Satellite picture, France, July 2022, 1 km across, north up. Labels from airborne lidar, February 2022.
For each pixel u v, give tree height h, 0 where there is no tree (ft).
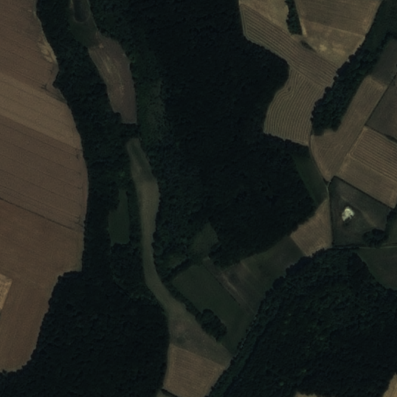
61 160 0
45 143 0
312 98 0
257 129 83
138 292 60
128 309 81
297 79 0
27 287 0
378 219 0
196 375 0
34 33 0
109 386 78
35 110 0
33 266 0
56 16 57
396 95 0
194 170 50
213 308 0
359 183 0
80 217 0
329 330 70
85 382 78
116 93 0
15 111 0
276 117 0
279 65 75
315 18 0
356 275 68
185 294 0
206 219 58
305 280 67
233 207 87
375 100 0
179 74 71
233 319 0
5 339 0
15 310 0
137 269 82
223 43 86
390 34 45
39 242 0
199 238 0
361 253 0
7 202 0
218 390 32
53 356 82
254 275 0
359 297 61
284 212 69
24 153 0
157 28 54
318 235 0
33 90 0
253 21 0
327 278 60
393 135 0
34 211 0
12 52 0
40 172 0
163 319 63
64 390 77
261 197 94
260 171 90
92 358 75
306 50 0
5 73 0
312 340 66
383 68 0
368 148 0
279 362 82
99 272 85
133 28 38
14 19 0
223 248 51
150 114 0
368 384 85
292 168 71
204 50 82
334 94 50
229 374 21
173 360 0
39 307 0
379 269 0
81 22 0
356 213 0
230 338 0
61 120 0
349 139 0
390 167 0
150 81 26
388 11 0
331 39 0
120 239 0
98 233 83
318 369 42
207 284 0
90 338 65
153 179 0
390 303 75
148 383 77
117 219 0
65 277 24
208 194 24
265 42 0
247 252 55
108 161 60
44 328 63
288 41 0
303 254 0
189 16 82
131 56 55
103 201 65
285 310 70
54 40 61
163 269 38
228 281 0
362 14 0
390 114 0
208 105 85
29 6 0
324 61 0
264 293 0
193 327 0
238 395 71
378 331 74
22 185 0
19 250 0
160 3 77
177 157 52
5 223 0
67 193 0
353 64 68
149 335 85
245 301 0
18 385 71
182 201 27
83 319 74
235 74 77
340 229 0
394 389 0
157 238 67
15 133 0
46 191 0
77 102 78
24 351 0
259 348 74
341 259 26
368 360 58
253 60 83
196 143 70
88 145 30
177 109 67
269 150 65
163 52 72
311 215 43
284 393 53
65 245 0
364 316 56
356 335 76
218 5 73
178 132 60
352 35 0
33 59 0
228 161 79
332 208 0
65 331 63
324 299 67
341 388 78
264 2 0
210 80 78
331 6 0
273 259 0
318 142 0
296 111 0
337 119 65
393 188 0
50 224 0
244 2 0
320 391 70
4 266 0
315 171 0
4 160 0
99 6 28
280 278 0
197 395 0
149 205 0
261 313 45
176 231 52
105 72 0
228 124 90
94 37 0
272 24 0
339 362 73
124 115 0
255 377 69
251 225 82
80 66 56
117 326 83
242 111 92
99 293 93
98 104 58
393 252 0
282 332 65
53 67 0
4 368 0
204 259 0
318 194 0
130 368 84
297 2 0
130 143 0
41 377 75
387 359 89
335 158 0
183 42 80
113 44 0
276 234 84
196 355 0
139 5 68
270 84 87
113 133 27
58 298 60
